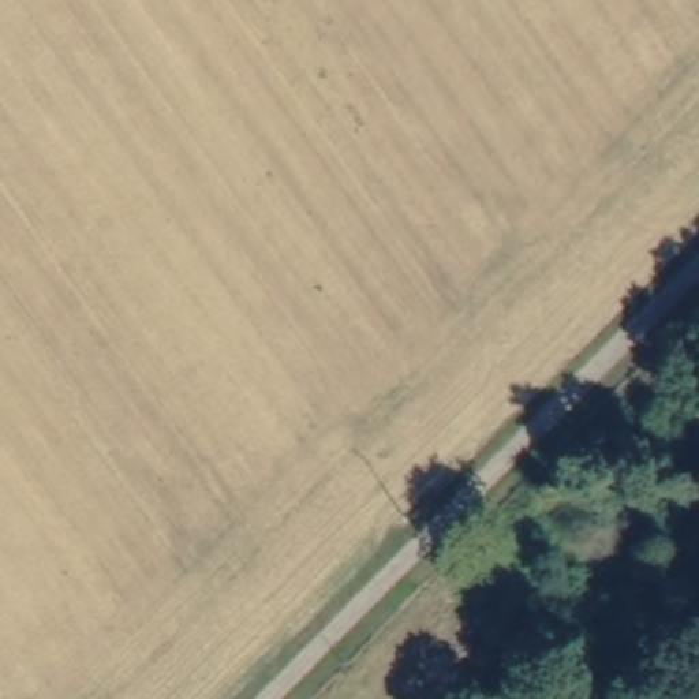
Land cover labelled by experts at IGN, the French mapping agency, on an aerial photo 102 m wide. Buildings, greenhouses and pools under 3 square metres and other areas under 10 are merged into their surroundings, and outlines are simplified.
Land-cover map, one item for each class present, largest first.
<instances>
[{"label":"agricultural land","instance_id":"1","mask_svg":"<svg viewBox=\"0 0 699 699\"><path fill-rule=\"evenodd\" d=\"M699 216V0H0V699H213L224 694L240 674H246V669L265 653L279 650L281 642L276 639V633L284 625V620L322 587L328 576H333L344 562L355 557L363 538L380 546L390 527H404L410 522L407 489L412 470L445 464L451 470H459L461 461H467L505 420L519 415L522 407L511 399L513 385L549 388L552 380H557L562 371L565 363L595 339V333L603 325L620 317L631 289L647 287L653 281L655 268L680 251L683 229H696Z\"/></svg>","mask_w":699,"mask_h":699},{"label":"deciduous trees","instance_id":"2","mask_svg":"<svg viewBox=\"0 0 699 699\"><path fill-rule=\"evenodd\" d=\"M625 393H614L601 382H593L576 401V407L565 412L546 434L530 440V445L516 456L513 467L519 475L508 483L505 494L500 497V505H491L483 497L481 508H475L464 522L451 524L440 549L437 579L445 584V590H451L459 598V639L467 647V658H461L459 669V677L467 683V688L451 691L445 699H699V281L631 347V360L625 363Z\"/></svg>","mask_w":699,"mask_h":699},{"label":"herbaceous vegetation","instance_id":"3","mask_svg":"<svg viewBox=\"0 0 699 699\"><path fill-rule=\"evenodd\" d=\"M623 330L620 317L603 325L595 333V339L565 363L562 371L576 377L582 366L595 352H601V347L612 336ZM631 360V355L614 363L601 382L614 393H625V363ZM522 429L519 415L505 420L467 461L475 472L486 467L489 459L500 448H505L508 440ZM519 475L513 467L491 489H486L483 497L491 505H500V497L505 494L508 483ZM418 538L410 522L404 527H390L380 546L363 538L355 557L344 562L333 576H328L322 587L284 620V625L276 633V639L281 642L279 650L265 653L246 669V674H240L224 694L213 699H257L268 688V683L276 680L281 669L407 546V541ZM440 549L429 543L418 562L317 661V666L284 699H445L451 691L467 688V683L459 677V669L461 658H467V647L459 639V598L451 590H445V584L437 579Z\"/></svg>","mask_w":699,"mask_h":699},{"label":"pervious surface","instance_id":"4","mask_svg":"<svg viewBox=\"0 0 699 699\"><path fill-rule=\"evenodd\" d=\"M699 281V216L696 229H683L680 251L655 268L653 281L647 287L631 289L620 317L623 330L612 336L601 347V352H595L582 366L576 377L562 371L557 380H552L549 388L513 385L511 399L522 407L519 415L522 429L508 440L505 448H500L489 459L486 467L475 472L467 461H461L459 470H451L445 464L412 470L407 489L410 522L418 538L407 541V546L281 669L276 680L268 683V688L257 699H284L317 666V661L418 562L429 543L440 549L451 524L464 522L475 508H481L483 497L486 489H491L513 467L516 456L530 445V440L546 434L565 412L576 407V401L593 382H601L614 363L631 355V347Z\"/></svg>","mask_w":699,"mask_h":699}]
</instances>
